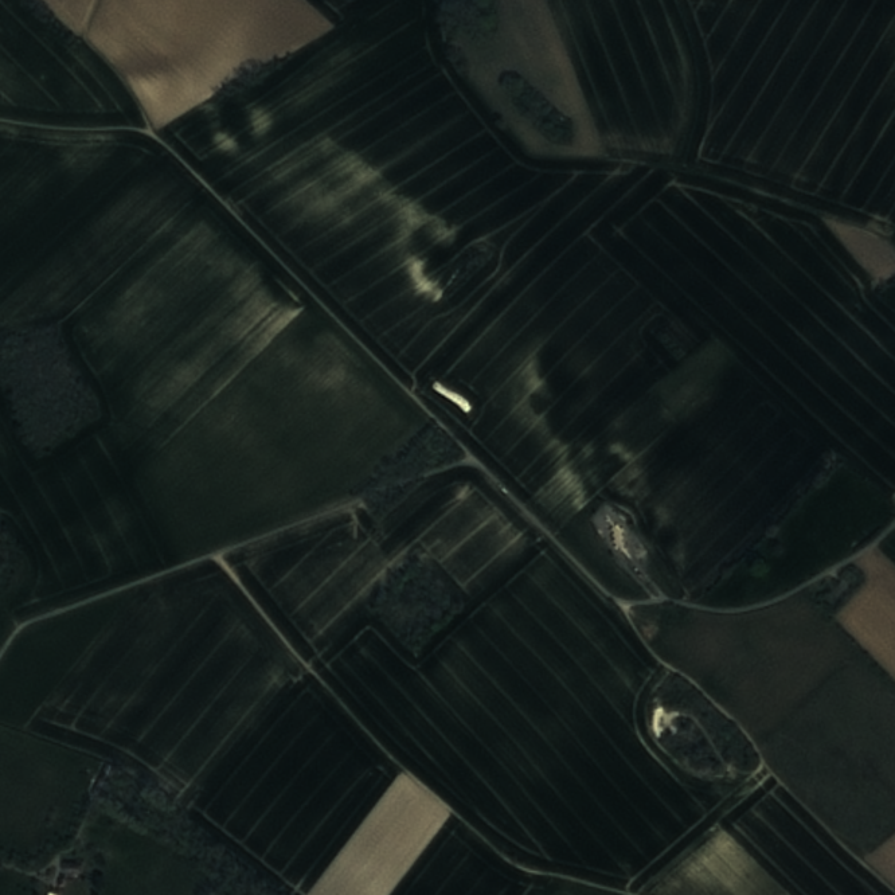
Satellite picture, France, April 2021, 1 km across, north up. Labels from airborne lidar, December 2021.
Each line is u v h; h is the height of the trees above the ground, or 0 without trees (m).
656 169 0
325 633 0
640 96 0
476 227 0
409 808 0
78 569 0
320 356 0
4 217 0
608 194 0
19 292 0
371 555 0
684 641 0
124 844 0
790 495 0
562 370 0
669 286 0
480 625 0
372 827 0
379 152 0
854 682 0
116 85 0
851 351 0
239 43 0
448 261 0
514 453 0
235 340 0
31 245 0
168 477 0
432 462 11
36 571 0
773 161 0
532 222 0
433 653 0
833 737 0
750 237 0
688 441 0
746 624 0
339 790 0
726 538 0
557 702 0
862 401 0
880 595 0
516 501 0
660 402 0
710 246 0
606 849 0
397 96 0
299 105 0
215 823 0
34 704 0
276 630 0
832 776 0
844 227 0
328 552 0
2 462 0
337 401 0
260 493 0
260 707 0
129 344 0
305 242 0
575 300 0
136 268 0
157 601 0
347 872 0
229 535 0
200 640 0
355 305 0
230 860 20
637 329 0
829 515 0
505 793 0
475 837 0
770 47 0
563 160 0
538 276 0
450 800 0
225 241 0
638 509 0
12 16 0
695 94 0
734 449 0
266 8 0
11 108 0
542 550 0
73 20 0
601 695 0
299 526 0
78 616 0
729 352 0
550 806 0
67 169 0
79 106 0
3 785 0
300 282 0
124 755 0
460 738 0
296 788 0
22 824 0
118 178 0
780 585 0
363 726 0
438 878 0
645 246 0
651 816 0
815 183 0
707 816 0
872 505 0
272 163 0
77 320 0
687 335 0
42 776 0
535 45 0
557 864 0
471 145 0
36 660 0
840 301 0
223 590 0
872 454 0
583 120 0
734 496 0
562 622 0
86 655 0
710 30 0
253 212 0
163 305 0
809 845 0
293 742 0
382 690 0
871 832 0
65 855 0
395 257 0
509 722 0
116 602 0
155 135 0
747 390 0
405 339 0
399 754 0
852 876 0
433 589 17
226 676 0
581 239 0
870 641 0
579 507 0
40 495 0
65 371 13
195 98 0
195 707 0
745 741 12
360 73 0
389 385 0
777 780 0
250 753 0
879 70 0
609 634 0
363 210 0
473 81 0
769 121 0
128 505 0
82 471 0
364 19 0
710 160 0
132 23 0
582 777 0
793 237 0
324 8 0
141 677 0
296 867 0
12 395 13
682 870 0
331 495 0
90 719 0
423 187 0
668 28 0
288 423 0
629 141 0
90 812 21
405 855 0
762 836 0
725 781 0
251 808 0
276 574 0
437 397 0
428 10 0
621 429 0
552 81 0
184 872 0
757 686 0
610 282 0
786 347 0
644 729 0
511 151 0
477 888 0
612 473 0
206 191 0
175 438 0
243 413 0
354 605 0
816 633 0
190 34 0
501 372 0
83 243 0
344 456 0
